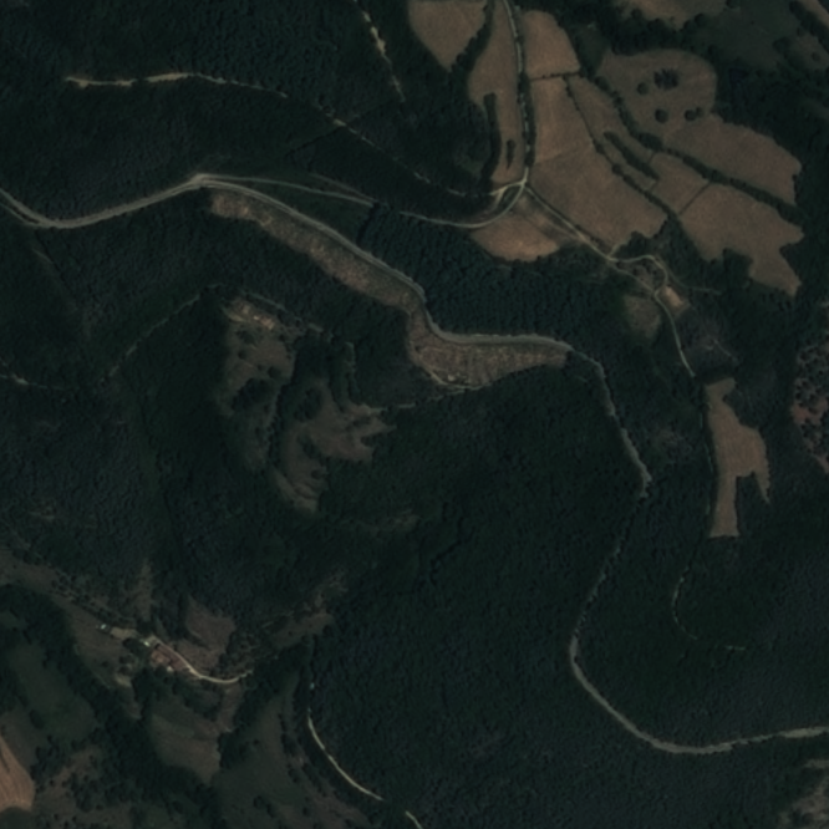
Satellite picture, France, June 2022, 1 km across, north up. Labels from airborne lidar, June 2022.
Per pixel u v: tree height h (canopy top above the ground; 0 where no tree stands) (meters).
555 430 22
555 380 19
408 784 19
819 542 16
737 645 13
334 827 0
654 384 10
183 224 20
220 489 9
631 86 0
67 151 13
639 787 9
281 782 0
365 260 0
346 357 10
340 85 9
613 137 10
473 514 20
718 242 0
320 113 16
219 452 16
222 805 8
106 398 17
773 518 6
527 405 17
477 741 13
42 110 13
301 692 15
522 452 20
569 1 16
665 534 15
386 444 15
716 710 18
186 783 21
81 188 18
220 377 13
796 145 11
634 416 15
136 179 12
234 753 18
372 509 11
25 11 10
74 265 16
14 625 0
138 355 10
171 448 16
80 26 16
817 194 17
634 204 0
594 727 16
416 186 12
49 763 19
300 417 11
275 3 19
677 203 0
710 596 9
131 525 17
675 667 14
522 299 25
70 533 10
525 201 0
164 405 16
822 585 21
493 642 14
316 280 17
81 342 9
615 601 18
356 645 18
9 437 12
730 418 0
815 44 0
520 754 8
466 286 24
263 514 8
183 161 16
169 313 14
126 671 13
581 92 0
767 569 8
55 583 10
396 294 0
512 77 0
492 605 20
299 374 18
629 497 12
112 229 24
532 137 9
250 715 14
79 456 19
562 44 0
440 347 0
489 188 13
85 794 15
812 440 19
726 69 7
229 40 23
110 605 7
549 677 16
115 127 14
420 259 32
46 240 19
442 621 18
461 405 14
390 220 29
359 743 11
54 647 27
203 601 11
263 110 17
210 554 18
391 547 12
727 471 0
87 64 17
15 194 13
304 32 18
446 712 9
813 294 15
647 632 10
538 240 0
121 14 9
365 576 10
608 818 17
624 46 29
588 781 9
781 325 8
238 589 15
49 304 13
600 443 18
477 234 0
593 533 12
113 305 22
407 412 9
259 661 10
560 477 21
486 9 8
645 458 16
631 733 12
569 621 11
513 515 21
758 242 0
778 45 11
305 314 16
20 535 10
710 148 0
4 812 0
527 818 11
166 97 13
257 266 28
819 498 7
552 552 17
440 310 25
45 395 15
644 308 0
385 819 17
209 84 15
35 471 16
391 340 13
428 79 14
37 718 14
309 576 12
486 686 16
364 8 25
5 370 9
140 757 22
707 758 16
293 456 0
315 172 18
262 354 0
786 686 17
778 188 0
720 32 0
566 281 22
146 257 21
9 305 10
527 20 0
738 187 7
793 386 15
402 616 22
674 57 0
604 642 17
